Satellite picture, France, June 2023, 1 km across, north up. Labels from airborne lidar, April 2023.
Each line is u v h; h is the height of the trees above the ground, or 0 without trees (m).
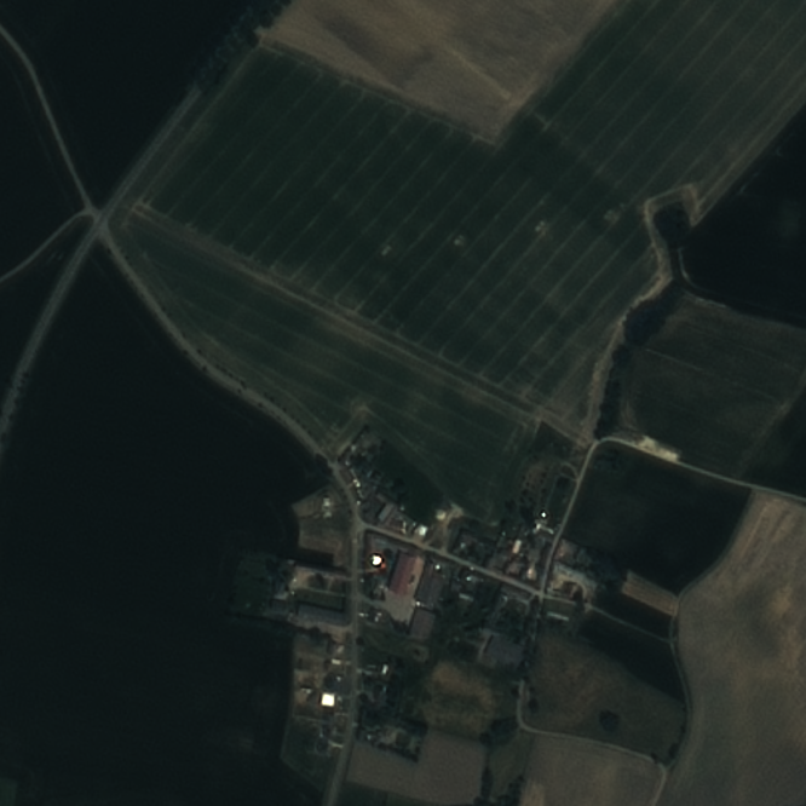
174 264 0
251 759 0
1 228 0
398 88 0
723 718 0
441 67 0
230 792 0
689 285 0
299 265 0
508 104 0
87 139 0
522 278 0
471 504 0
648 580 0
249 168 0
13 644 0
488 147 0
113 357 0
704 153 0
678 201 0
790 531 0
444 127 0
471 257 0
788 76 0
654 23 0
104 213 0
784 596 0
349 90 0
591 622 0
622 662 0
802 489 0
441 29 0
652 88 0
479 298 0
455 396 0
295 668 0
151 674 0
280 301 0
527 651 12
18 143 0
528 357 0
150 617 0
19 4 0
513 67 0
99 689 0
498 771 0
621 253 0
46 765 0
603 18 0
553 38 0
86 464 0
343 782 0
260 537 0
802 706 0
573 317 0
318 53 0
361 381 0
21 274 0
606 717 13
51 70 0
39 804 0
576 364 0
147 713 0
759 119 0
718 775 0
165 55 0
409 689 0
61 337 0
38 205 0
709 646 0
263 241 0
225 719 0
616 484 0
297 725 0
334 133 0
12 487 0
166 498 0
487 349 0
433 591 0
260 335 0
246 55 0
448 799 0
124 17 0
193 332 0
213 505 0
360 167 0
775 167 0
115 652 0
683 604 0
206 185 0
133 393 0
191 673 0
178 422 0
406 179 0
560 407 0
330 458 0
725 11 0
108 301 0
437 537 0
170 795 0
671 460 0
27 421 0
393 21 0
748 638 0
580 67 0
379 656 0
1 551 0
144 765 0
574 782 0
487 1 0
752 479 0
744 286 0
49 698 0
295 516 0
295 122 0
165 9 0
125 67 0
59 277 0
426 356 0
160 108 0
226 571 0
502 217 0
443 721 0
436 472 0
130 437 0
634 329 24
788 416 0
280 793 0
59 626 0
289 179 0
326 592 0
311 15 0
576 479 0
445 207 0
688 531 0
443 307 0
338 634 0
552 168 0
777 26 0
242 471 0
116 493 0
